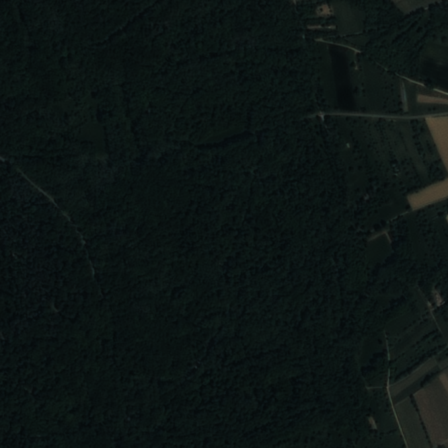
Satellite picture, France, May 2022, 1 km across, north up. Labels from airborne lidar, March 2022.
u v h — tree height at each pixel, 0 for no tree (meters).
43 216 28
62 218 30
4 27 18
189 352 21
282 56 19
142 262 16
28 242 31
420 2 0
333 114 0
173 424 23
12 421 27
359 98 0
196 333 22
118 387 26
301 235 26
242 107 22
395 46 7
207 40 26
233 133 0
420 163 0
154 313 20
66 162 21
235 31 28
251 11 30
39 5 16
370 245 0
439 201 0
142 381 26
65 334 26
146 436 31
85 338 28
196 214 0
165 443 18
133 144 6
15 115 28
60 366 22
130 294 20
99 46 17
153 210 23
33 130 29
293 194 29
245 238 23
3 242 27
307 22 6
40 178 25
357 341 27
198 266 0
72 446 28
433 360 0
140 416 32
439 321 0
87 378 29
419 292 0
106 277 24
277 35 14
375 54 5
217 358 30
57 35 20
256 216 27
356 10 0
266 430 25
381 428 0
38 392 28
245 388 0
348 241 28
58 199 17
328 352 28
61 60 24
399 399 0
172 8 20
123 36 19
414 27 11
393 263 23
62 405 18
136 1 19
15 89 24
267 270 27
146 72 20
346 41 7
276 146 27
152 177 23
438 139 0
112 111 27
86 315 24
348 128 0
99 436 32
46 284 27
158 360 26
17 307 25
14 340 30
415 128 9
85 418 23
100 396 27
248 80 29
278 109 28
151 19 21
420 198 0
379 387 0
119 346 29
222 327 25
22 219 28
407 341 0
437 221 0
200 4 23
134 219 17
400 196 0
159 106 17
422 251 0
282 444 14
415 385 0
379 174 0
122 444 30
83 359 26
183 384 31
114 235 29
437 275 14
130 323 30
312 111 21
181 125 22
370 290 25
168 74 24
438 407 0
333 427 14
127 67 23
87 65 17
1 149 26
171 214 23
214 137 0
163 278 17
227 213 26
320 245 0
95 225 28
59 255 31
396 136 0
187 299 24
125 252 28
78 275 33
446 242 0
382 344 13
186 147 24
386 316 6
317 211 28
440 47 0
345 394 28
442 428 0
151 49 22
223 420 24
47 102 23
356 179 0
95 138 0
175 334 27
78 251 29
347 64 0
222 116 16
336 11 0
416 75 14
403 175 0
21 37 25
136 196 25
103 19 20
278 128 24
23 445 26
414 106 0
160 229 17
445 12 12
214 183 29
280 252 24
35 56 27
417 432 0
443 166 0
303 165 27
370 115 0
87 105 6
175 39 20
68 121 18
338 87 0
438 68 0
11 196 27
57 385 30
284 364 24
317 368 27
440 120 0
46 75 29
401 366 0
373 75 0
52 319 28
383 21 11
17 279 30
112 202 27
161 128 20
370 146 7
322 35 10
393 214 0
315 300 31
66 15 19
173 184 20
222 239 27
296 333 31
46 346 34
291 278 27
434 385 0
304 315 31
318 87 14
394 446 0
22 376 28
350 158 0
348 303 28
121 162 28
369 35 8
